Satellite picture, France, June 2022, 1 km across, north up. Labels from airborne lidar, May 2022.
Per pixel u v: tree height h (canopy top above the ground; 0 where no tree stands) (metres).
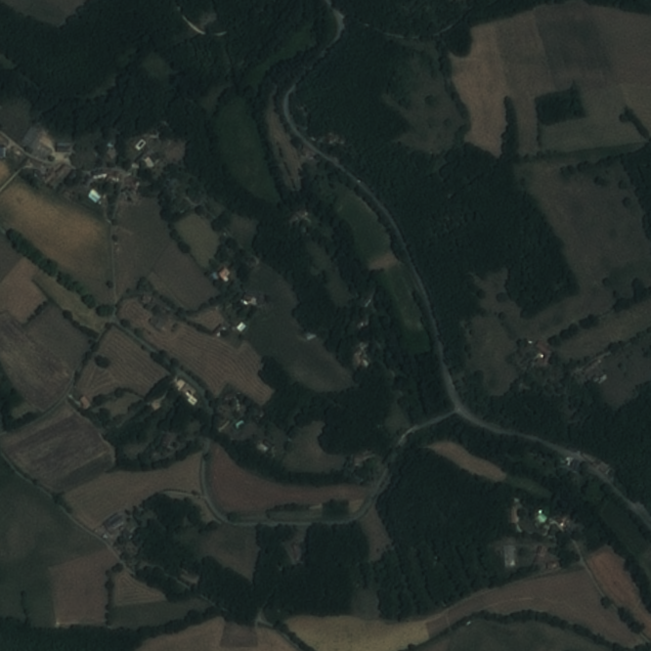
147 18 16
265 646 0
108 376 0
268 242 11
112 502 0
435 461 18
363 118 12
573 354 0
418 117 0
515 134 14
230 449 9
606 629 0
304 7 24
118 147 11
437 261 12
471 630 0
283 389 11
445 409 8
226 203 10
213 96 0
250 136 0
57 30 15
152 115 17
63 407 0
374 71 12
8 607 0
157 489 0
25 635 9
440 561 19
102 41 19
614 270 0
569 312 0
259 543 13
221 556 0
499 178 18
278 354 0
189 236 0
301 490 0
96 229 0
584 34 0
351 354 10
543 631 0
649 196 13
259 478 0
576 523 13
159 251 0
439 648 0
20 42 12
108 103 20
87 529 0
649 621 0
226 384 0
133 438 12
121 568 13
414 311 0
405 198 11
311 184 16
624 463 9
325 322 17
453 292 12
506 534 12
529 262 15
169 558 12
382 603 14
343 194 0
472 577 17
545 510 12
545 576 0
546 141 0
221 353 0
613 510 0
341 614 13
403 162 9
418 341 0
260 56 15
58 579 0
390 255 0
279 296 0
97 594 0
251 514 0
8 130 0
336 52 10
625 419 14
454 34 6
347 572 14
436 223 12
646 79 0
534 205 13
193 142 15
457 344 12
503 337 0
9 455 0
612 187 0
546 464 11
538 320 0
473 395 6
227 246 13
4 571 0
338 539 16
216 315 0
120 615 0
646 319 0
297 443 0
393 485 12
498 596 0
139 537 15
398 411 0
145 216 0
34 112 9
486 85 0
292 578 15
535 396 12
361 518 0
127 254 0
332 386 0
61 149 0
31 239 0
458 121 0
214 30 8
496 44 0
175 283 0
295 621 0
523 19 0
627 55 0
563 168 9
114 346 0
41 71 13
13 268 0
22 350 0
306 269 6
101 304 0
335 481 14
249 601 13
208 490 0
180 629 15
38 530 0
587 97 0
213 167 17
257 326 0
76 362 0
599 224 0
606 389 0
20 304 0
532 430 15
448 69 12
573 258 0
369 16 14
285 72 28
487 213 12
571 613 0
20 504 0
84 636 15
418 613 13
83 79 11
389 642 0
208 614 12
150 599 0
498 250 14
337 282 0
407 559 10
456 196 13
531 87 0
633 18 0
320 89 8
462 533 16
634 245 0
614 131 0
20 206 0
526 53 0
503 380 0
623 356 0
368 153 10
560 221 0
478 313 10
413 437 13
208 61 9
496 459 15
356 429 18
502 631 0
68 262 0
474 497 19
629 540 0
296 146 18
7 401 12
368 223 0
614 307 8
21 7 0
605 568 0
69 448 0
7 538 0
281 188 20
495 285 0
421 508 16
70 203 0
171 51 12
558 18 0
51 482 0
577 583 0
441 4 6
